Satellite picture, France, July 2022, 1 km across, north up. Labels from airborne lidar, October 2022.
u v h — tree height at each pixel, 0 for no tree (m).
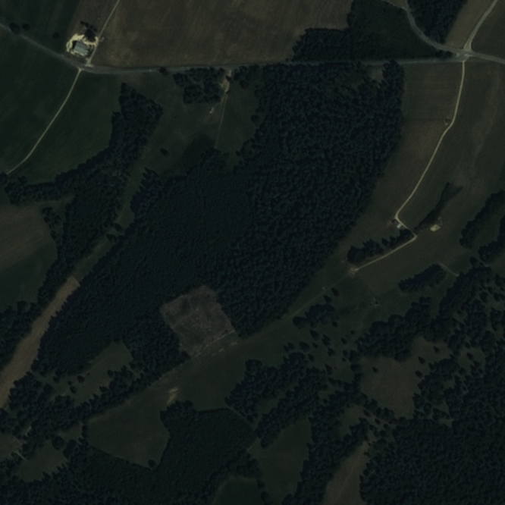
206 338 0
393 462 24
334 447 22
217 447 9
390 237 0
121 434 0
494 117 0
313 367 0
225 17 0
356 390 22
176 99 0
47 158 0
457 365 20
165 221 14
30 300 0
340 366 0
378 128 24
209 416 14
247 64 0
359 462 0
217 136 0
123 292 14
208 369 0
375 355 25
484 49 0
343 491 0
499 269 0
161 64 0
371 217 0
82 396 0
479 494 19
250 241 21
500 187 0
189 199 12
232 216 12
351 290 0
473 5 0
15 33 16
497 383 13
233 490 0
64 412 22
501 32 0
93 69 0
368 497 21
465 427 10
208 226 15
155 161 0
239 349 0
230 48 0
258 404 28
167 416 23
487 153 0
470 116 0
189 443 13
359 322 0
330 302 28
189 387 0
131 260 14
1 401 0
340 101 21
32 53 0
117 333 14
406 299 0
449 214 0
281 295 27
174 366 18
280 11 0
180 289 14
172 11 0
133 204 0
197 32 0
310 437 0
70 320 25
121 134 23
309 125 31
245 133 0
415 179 0
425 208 0
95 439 0
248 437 10
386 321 0
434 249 0
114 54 0
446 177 0
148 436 0
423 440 25
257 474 29
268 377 21
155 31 0
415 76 0
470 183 0
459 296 27
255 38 0
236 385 0
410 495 20
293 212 16
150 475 14
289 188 31
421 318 23
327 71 33
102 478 13
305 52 19
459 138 0
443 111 0
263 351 0
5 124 0
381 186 0
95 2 0
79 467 20
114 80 0
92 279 18
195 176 15
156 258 13
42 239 0
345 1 0
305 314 0
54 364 16
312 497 15
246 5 0
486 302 31
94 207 15
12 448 0
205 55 0
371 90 26
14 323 0
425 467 22
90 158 0
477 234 8
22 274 0
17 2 0
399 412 0
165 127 0
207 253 15
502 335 0
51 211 16
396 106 31
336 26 0
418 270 0
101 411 20
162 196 20
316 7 0
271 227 15
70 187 28
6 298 0
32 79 0
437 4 23
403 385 0
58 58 0
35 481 0
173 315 0
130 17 0
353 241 0
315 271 27
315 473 19
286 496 0
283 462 0
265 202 24
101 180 18
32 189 19
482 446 18
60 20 0
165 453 8
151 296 13
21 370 0
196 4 0
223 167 24
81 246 6
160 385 0
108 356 0
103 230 23
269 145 14
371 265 0
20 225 0
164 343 20
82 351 14
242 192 12
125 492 6
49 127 0
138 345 25
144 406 0
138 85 0
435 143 0
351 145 27
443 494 18
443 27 27
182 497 25
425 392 23
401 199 0
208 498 23
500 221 0
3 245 0
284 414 27
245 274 29
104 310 13
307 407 31
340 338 0
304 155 31
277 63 0
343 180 29
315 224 12
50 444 0
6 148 0
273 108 15
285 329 0
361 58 10
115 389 21
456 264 0
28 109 0
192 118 0
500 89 0
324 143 29
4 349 13
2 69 0
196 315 0
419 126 0
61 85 0
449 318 22
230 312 23
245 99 0
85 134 0
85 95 0
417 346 0
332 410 21
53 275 19
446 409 0
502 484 24
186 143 0
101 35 0
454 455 18
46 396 18
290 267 26
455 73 0
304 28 0
